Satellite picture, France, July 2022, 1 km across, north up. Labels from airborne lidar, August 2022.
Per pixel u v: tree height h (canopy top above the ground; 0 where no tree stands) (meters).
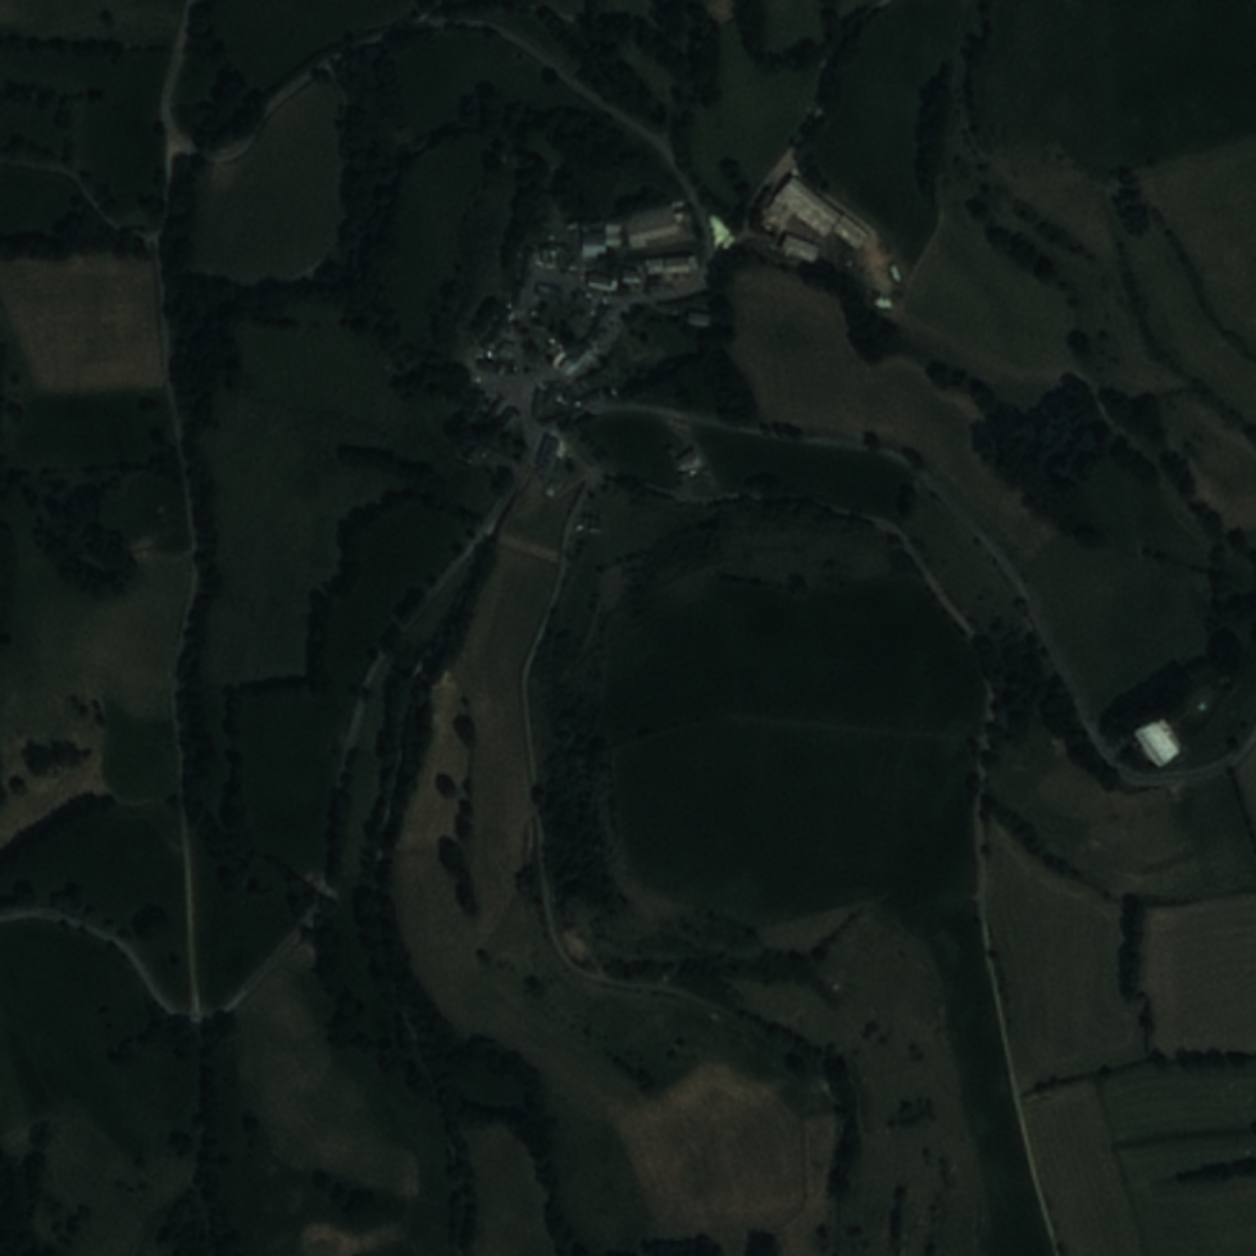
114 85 0
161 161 0
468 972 0
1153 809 0
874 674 0
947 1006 0
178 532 0
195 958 0
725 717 0
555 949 0
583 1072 0
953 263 0
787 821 0
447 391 15
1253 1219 0
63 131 11
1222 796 0
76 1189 0
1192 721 0
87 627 0
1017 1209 0
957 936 0
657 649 0
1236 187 0
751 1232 0
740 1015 9
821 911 0
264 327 7
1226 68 0
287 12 0
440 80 0
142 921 19
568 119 13
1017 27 0
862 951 0
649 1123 0
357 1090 0
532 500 0
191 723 9
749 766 0
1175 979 0
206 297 13
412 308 0
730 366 18
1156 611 0
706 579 0
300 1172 0
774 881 0
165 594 0
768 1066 0
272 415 0
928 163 19
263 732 0
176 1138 12
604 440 0
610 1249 0
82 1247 0
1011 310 0
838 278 19
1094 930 0
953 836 0
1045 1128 0
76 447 0
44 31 0
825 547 0
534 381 0
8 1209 33
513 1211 0
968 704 0
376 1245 0
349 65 19
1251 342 0
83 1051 0
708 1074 0
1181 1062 14
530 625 0
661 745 0
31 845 16
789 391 0
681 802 0
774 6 0
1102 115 0
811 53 18
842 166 0
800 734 0
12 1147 0
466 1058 15
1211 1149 0
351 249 11
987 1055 0
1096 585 0
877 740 0
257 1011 0
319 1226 0
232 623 0
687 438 0
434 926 0
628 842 0
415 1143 0
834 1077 20
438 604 0
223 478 0
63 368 0
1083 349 20
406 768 8
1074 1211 0
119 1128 0
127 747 0
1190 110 0
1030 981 0
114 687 0
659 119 17
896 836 0
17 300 0
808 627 0
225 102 18
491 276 0
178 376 18
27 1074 0
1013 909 0
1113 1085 0
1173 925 0
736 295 0
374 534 0
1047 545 0
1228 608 17
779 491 15
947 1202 0
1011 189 0
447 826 0
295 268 0
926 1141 0
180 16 0
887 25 0
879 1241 0
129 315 0
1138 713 19
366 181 6
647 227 0
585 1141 0
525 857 0
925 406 0
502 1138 0
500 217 0
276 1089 0
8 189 0
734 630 0
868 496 0
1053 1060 0
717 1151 0
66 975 0
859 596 0
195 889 0
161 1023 11
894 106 0
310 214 0
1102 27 0
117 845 0
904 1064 0
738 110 0
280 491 0
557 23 17
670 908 0
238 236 0
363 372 0
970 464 0
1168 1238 0
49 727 0
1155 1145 0
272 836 0
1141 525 0
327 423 0
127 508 0
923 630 0
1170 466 17
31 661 0
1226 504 0
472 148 0
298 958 0
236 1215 0
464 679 0
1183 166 0
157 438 15
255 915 0
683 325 11
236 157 0
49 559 14
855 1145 7
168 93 0
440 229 0
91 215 21
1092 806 0
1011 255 14
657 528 0
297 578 0
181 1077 0
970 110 10
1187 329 0
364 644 0
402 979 19
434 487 17
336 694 0
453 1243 8
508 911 0
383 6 0
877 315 12
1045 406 9
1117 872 0
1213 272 0
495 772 0
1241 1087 0
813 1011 0
